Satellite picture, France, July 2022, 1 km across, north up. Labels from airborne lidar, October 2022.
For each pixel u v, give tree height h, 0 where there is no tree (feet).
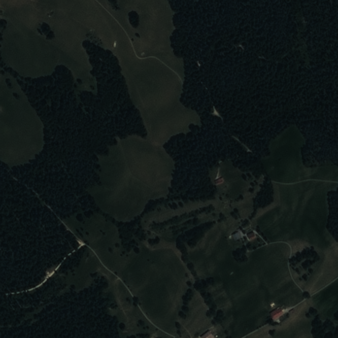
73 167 97
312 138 72
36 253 84
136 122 77
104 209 0
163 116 0
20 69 0
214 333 0
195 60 31
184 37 81
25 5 0
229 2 91
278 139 0
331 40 48
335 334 73
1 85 0
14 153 0
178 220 30
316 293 0
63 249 59
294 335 0
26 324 39
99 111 86
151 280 0
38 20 0
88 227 0
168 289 0
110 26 0
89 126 73
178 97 0
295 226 0
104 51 73
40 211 97
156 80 0
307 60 0
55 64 0
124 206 0
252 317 0
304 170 0
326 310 0
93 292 59
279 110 58
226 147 54
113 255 0
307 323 0
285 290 0
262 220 0
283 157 0
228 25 88
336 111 55
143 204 0
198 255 0
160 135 0
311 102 39
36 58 0
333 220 52
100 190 0
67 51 0
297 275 0
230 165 0
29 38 0
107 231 0
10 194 42
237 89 66
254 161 81
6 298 93
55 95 76
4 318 50
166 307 0
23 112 0
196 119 0
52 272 0
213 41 43
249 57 71
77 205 82
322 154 68
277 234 0
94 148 77
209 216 0
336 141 75
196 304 0
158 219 0
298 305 0
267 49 73
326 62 39
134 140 0
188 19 58
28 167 69
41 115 75
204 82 84
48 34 68
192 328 0
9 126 0
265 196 57
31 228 74
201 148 100
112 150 0
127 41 0
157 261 0
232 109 61
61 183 114
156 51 0
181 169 53
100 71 90
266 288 0
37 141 0
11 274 68
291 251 0
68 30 0
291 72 62
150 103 0
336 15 75
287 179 0
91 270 0
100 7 0
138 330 0
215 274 0
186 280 0
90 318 52
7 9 0
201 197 57
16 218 84
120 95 77
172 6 69
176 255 0
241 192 0
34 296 32
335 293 0
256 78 73
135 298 37
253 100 71
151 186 0
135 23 71
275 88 72
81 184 92
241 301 0
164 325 0
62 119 70
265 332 0
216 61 50
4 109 0
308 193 0
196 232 70
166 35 0
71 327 31
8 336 59
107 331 39
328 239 0
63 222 0
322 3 77
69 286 0
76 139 75
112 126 78
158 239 48
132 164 0
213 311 56
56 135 93
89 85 0
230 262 0
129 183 0
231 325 0
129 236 22
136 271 0
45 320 63
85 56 0
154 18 0
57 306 37
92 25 0
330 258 0
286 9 92
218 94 58
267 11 73
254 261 0
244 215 0
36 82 64
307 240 0
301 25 23
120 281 0
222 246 0
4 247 75
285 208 0
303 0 86
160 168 0
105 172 0
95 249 0
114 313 0
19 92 0
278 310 0
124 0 0
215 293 0
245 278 0
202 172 82
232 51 49
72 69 0
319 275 0
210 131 90
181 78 0
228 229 0
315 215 0
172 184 44
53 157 76
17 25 0
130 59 0
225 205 0
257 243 0
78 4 0
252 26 56
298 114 22
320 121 29
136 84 0
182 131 0
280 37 86
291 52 34
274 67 94
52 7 0
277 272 0
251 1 62
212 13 93
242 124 23
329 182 0
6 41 0
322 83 68
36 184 85
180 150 56
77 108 89
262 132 34
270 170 0
